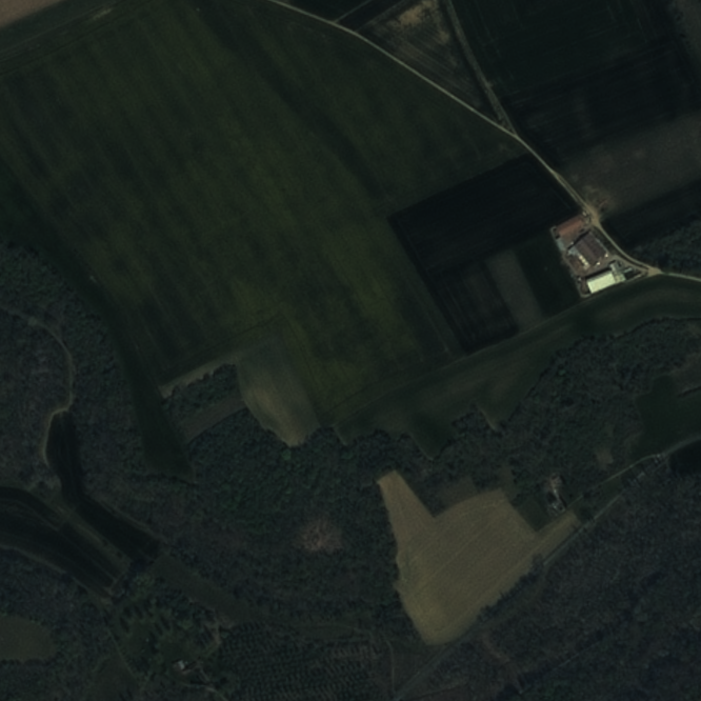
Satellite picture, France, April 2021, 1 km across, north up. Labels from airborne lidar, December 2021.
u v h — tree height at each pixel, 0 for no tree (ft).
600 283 0
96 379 63
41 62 0
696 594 78
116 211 0
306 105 0
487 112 0
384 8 0
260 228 0
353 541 58
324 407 0
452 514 0
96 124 0
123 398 60
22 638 0
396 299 0
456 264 0
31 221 0
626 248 0
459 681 74
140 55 0
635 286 0
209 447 48
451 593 0
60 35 0
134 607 0
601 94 0
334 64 0
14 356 60
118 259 0
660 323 41
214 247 0
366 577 55
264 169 0
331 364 0
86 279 0
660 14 0
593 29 0
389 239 0
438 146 0
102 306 0
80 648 43
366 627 48
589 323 0
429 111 0
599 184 0
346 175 0
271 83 0
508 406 0
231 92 0
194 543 71
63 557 0
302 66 0
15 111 0
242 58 0
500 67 0
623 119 0
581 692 79
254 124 0
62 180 0
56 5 0
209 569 69
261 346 0
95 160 0
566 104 0
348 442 0
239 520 71
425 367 0
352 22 0
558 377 46
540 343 0
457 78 0
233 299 0
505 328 0
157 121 0
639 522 46
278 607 60
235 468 52
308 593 30
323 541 0
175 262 0
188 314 0
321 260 0
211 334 0
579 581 38
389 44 0
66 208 0
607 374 67
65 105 0
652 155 0
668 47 0
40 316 74
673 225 0
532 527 0
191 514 66
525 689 75
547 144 0
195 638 86
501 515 0
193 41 0
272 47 0
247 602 57
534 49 0
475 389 0
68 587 74
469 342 0
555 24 0
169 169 0
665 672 95
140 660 0
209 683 23
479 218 0
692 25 0
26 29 0
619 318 0
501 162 0
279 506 55
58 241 0
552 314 0
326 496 50
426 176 0
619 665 71
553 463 24
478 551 0
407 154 0
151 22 0
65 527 0
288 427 0
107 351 59
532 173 0
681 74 0
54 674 52
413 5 0
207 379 34
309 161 0
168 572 0
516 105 0
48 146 0
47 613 44
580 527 0
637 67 0
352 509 41
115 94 0
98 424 54
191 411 21
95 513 0
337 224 0
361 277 0
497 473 37
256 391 0
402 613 63
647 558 58
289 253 0
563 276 0
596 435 23
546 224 0
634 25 0
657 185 0
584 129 0
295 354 0
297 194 0
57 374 42
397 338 0
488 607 0
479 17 0
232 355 0
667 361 33
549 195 0
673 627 80
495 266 0
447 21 0
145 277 0
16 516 0
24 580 87
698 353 86
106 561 0
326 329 0
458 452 55
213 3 0
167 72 0
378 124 0
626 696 53
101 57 0
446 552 0
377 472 62
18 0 0
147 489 45
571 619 54
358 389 0
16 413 64
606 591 38
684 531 73
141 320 0
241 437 38
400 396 0
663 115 0
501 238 0
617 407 35
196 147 0
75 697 87
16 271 63
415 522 0
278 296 0
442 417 0
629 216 0
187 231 0
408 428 0
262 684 21
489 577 0
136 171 0
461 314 0
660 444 0
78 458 0
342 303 0
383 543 51
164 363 0
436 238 0
